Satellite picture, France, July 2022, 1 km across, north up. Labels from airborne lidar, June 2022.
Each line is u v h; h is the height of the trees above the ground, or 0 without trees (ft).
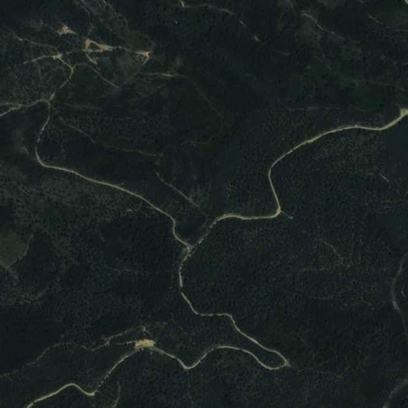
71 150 26
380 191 53
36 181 32
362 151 47
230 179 44
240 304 53
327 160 56
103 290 63
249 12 32
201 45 31
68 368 55
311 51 31
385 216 46
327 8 19
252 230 45
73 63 31
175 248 51
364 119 44
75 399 52
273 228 46
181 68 25
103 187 26
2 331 36
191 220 32
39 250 20
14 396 34
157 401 52
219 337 46
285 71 34
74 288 52
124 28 25
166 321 24
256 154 63
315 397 43
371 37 40
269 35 46
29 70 28
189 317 52
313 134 44
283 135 49
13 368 36
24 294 44
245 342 19
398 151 37
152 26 24
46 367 52
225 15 19
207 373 50
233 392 60
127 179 25
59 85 27
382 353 53
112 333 24
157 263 25
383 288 57
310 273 50
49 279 32
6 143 33
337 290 46
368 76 53
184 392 43
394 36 62
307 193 39
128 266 27
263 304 67
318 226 52
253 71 37
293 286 65
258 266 51
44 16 29
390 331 30
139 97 20
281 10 30
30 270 29
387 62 25
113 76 24
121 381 47
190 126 21
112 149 23
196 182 24
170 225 22
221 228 60
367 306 49
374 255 62
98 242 42
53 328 36
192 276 54
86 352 37
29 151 30
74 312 68
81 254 37
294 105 44
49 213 22
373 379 31
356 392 41
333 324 55
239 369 44
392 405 33
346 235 62
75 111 20
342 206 74
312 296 56
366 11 28
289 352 43
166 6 34
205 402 58
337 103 33
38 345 24
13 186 19
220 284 62
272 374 43
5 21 33
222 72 34
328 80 30
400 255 42
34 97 38
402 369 35
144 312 53
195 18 0
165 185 28
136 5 27
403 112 0
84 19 24
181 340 48
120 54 31
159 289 33
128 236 39
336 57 26
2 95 40
